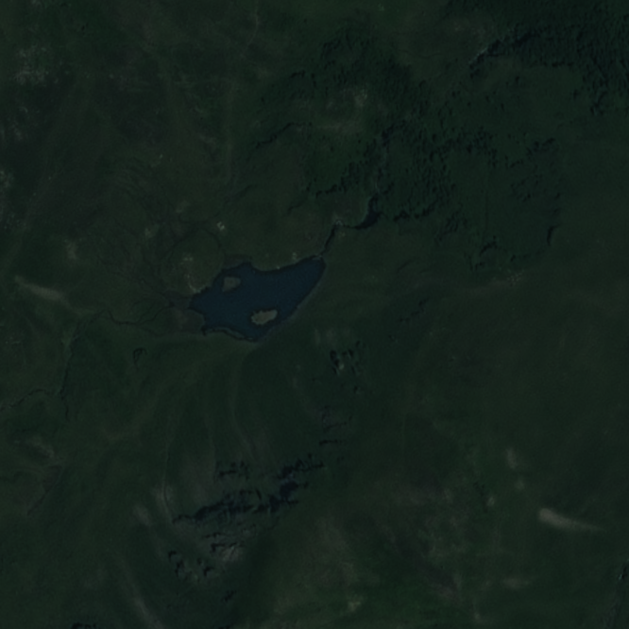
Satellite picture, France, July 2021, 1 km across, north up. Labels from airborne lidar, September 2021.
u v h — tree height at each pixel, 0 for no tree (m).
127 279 0
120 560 0
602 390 0
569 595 0
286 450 0
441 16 0
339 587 0
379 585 0
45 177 0
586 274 0
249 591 0
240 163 0
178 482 0
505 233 0
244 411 0
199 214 0
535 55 13
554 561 0
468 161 0
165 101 0
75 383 0
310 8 0
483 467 0
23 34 0
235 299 0
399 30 0
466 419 0
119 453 0
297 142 0
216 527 0
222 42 0
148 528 0
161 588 0
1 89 0
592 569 0
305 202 0
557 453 0
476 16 0
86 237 0
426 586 0
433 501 0
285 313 0
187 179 0
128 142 0
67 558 0
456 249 0
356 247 0
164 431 0
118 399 0
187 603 0
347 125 0
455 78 0
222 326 0
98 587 0
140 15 0
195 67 0
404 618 0
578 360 0
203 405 0
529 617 0
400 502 0
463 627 0
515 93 0
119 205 0
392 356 0
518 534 0
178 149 0
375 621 0
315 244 0
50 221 0
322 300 0
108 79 0
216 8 0
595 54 16
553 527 0
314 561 0
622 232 0
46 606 0
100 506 0
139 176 0
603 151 0
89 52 0
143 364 0
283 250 0
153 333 0
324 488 0
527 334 0
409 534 0
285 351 0
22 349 0
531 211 0
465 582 0
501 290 0
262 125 0
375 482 0
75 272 0
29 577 0
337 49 7
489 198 0
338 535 0
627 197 0
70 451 0
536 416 0
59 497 0
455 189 8
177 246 0
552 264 0
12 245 0
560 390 0
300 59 0
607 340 0
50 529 0
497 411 0
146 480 0
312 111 0
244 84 0
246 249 0
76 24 0
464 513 0
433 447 0
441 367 0
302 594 0
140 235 0
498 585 0
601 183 0
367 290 0
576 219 0
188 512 0
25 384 0
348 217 0
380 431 0
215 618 0
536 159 0
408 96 7
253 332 0
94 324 0
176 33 0
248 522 0
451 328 0
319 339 0
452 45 0
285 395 0
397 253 0
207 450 0
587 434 0
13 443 0
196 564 0
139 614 0
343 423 0
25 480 0
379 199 9
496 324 0
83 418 0
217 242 0
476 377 0
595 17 8
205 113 0
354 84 9
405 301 0
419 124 11
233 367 0
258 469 0
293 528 0
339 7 0
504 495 0
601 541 0
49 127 0
